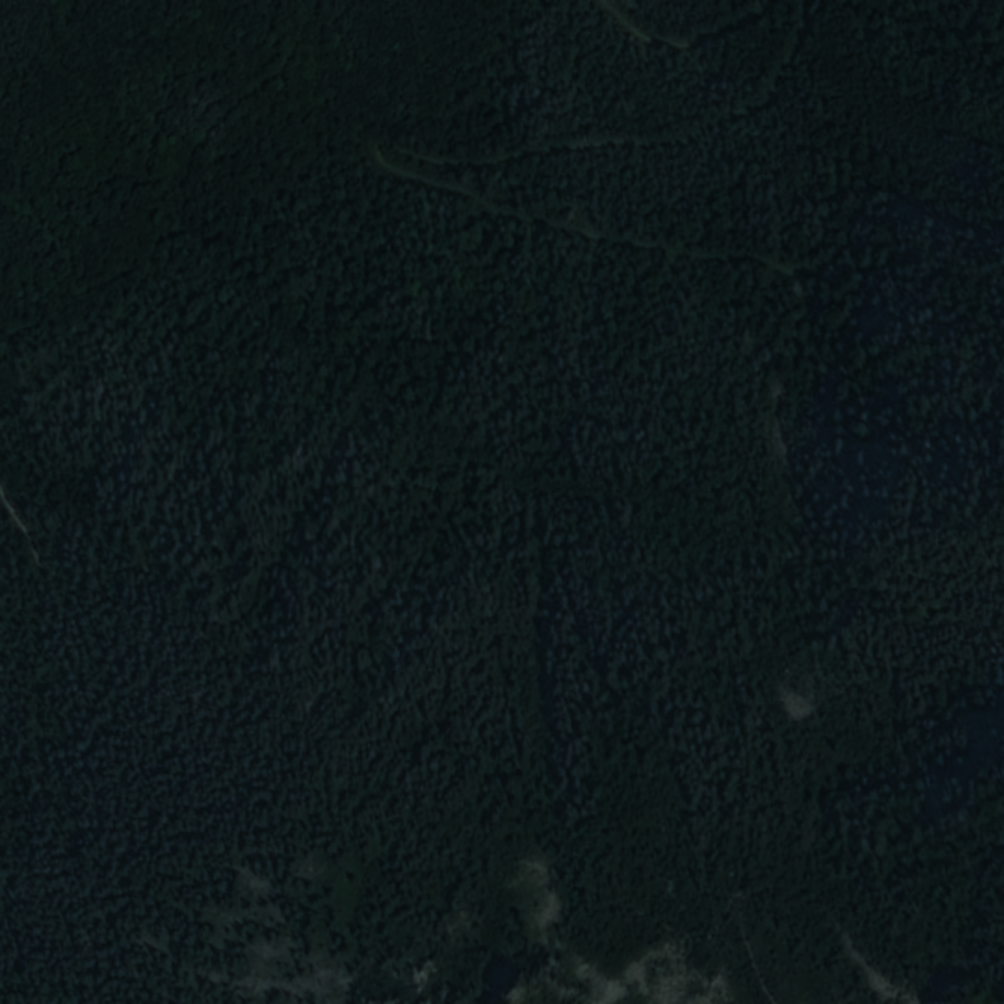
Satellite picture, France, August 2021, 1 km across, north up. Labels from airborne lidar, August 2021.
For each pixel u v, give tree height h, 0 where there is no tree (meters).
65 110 18
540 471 10
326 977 0
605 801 6
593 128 19
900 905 7
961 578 24
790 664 11
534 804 8
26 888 17
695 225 22
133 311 16
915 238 22
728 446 12
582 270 8
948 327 16
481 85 13
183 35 18
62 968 21
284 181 15
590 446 15
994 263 21
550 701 8
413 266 20
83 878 24
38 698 7
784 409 8
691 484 9
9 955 25
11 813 8
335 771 17
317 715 6
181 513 21
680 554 12
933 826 14
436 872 8
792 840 10
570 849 8
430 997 8
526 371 22
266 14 13
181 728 14
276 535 9
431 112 18
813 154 16
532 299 26
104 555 23
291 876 14
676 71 15
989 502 13
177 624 22
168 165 23
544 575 6
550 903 0
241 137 28
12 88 17
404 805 15
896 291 17
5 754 9
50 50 16
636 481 9
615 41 16
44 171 25
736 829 11
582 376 9
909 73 19
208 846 21
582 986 9
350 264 20
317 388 16
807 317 9
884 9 12
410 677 26
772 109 14
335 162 9
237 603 16
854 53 19
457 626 18
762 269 16
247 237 6
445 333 17
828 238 18
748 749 21
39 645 19
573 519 21
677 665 11
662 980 0
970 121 18
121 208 14
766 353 18
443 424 6
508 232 24
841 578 8
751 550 10
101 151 20
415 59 22
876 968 6
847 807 6
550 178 18
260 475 8
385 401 9
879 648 19
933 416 16
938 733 7
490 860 9
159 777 24
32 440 9
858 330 9
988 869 12
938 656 19
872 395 11
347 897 0
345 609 30
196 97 22
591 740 9
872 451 20
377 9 14
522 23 14
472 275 21
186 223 11
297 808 18
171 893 8
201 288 10
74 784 26
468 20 24
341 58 15
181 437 10
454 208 15
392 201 15
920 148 14
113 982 24
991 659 11
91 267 21
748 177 14
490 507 20
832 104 15
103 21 17
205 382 15
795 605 10
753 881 10
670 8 26
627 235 22
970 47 30
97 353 12
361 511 13
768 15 10
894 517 26
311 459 27
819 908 10
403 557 17
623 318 20
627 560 11
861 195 22
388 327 11
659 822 7
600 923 9
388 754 28
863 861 10
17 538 10
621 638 17
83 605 21
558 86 23
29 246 19
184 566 29
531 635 7
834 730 9
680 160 19
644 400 13
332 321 11
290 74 17
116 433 25
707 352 12
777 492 8
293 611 25
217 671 21
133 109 16
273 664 25
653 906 6
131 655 11
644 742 9
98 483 23
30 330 12
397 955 11
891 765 10
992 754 9
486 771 9
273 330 20
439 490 19
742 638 13
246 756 19
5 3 19
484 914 10
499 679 8
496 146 22
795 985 0
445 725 6
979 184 16
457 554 13
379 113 22
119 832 20
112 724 8
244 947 9
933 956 8
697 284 7
